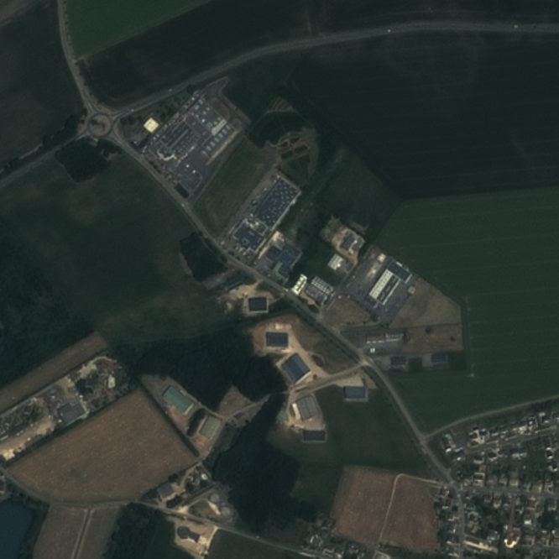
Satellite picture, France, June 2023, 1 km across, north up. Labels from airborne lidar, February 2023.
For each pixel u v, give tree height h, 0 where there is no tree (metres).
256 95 0
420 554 0
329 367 0
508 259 0
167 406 0
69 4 0
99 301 0
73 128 18
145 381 0
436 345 0
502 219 0
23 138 0
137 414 0
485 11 0
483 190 0
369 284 0
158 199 0
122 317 0
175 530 0
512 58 0
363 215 0
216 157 0
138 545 7
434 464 0
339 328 0
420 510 0
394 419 0
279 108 0
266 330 0
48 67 0
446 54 0
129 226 0
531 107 0
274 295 0
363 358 0
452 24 0
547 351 0
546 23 0
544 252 0
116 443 0
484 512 9
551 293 0
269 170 0
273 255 0
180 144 0
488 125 0
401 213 0
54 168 0
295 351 0
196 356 17
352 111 0
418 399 0
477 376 0
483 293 0
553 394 0
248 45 0
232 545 0
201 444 0
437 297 0
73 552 0
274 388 6
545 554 7
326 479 0
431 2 0
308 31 0
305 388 0
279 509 6
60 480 0
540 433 0
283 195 0
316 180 0
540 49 0
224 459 20
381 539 0
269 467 17
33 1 0
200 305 0
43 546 0
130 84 0
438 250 0
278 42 0
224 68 0
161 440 0
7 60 0
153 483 0
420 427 0
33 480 0
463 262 0
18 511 0
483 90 0
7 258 6
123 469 0
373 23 0
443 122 0
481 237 0
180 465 0
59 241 0
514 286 0
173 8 0
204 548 0
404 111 0
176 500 12
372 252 0
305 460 0
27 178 0
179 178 0
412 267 0
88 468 0
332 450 0
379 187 0
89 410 7
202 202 0
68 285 0
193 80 0
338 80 0
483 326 0
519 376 0
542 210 0
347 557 7
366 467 0
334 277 0
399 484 0
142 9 0
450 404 0
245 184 0
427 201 0
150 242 0
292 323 0
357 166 0
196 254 16
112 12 0
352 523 0
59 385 0
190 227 0
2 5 0
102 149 9
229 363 14
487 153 0
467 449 0
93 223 0
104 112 0
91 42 0
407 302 0
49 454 0
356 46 0
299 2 0
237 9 0
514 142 0
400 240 0
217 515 0
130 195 0
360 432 0
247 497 14
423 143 0
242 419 0
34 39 0
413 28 0
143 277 0
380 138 0
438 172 0
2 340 9
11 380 6
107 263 0
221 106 0
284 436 0
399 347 0
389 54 0
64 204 0
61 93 0
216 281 0
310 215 0
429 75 0
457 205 0
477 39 0
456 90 0
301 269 9
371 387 0
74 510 0
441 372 0
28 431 0
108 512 0
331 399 0
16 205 0
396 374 0
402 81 0
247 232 0
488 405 0
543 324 0
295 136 0
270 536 0
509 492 0
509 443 0
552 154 0
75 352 0
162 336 0
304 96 0
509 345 0
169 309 0
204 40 0
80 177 13
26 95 0
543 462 0
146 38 0
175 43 0
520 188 0
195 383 16
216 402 16
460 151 0
